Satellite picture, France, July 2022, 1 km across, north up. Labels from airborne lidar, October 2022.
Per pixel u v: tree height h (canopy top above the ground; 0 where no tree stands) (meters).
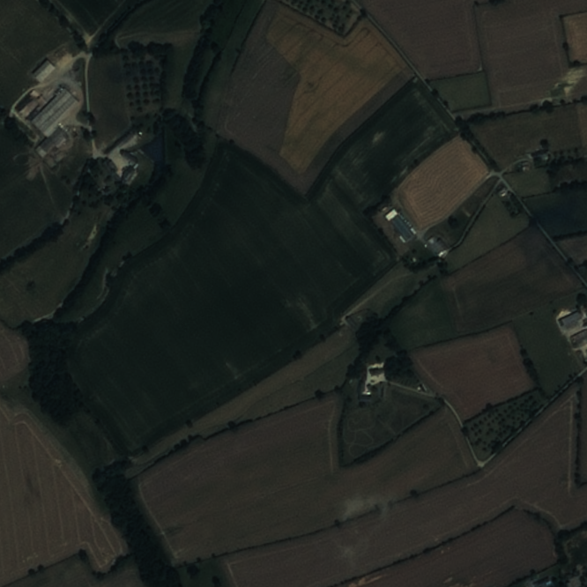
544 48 0
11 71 0
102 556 0
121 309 0
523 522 0
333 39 0
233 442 0
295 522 0
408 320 0
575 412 0
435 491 0
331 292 0
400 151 0
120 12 0
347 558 0
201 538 0
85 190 7
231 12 0
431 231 0
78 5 0
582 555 0
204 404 0
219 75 0
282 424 0
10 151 0
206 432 0
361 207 0
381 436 0
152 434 0
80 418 0
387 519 0
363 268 0
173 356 0
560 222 0
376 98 0
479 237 0
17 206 0
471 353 0
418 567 0
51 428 0
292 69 0
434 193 0
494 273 0
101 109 0
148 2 9
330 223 0
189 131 26
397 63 0
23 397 0
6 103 0
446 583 0
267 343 0
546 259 0
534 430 0
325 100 0
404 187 0
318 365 0
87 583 0
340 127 0
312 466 0
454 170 0
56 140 0
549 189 0
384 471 0
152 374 0
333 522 0
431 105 0
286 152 0
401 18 0
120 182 10
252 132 0
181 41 0
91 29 0
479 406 0
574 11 0
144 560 25
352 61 0
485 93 0
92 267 16
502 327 0
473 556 0
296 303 0
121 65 0
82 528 0
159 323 0
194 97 18
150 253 0
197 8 0
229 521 0
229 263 0
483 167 0
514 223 0
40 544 0
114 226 15
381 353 0
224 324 0
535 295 0
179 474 0
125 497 14
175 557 0
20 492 0
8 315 0
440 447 0
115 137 0
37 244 15
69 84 0
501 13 0
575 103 9
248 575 0
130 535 19
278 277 0
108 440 7
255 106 0
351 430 0
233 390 0
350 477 0
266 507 0
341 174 0
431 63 0
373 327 10
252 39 0
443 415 0
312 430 0
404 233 0
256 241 0
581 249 0
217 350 0
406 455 0
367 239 0
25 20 0
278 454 0
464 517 0
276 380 0
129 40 0
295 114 0
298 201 0
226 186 0
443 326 0
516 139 0
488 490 0
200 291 0
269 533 0
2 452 0
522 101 0
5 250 0
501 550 0
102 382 0
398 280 0
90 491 0
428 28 0
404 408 0
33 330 8
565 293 0
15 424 0
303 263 0
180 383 0
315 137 0
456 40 0
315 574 0
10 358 0
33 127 0
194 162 22
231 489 0
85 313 0
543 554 0
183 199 0
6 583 0
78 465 0
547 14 0
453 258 0
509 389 0
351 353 0
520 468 0
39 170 0
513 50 0
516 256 0
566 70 0
